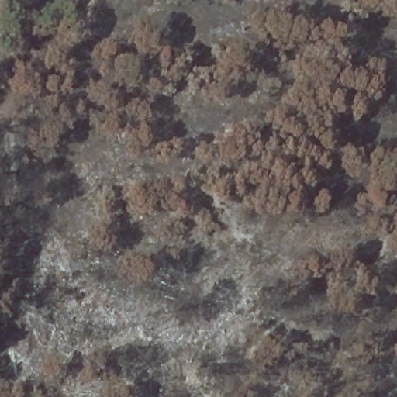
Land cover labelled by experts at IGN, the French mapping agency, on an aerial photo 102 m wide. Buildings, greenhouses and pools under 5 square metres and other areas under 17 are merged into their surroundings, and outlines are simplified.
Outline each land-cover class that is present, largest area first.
<instances>
[{"label":"coniferous trees","instance_id":"1","mask_svg":"<svg viewBox=\"0 0 397 397\"><path fill-rule=\"evenodd\" d=\"M288 14L268 16L265 20L253 22L250 33L243 34L242 37H228L223 40L220 47L214 43L211 48L194 39L195 28L188 14L172 12L171 20L164 26L163 31L157 34L154 29L138 28L126 42L119 43L115 53L110 54L95 48V45L102 42L105 37L110 36L116 25L115 11L107 5V0H0V329L12 326L19 316H25L20 312V302H29L37 309H42L43 299L48 298L56 288V274H47L45 284L33 282V274L39 265L42 248L48 242L47 231L53 225L51 216L54 214V208L56 205H64L71 198L84 195V180L76 175L74 164L67 160L68 155H74V150L68 149V144L84 143L90 127H95L96 132L101 133L105 140L116 141L121 149L126 150L127 157L135 163L152 164L155 171H158L157 177L164 178L163 183L140 188V191L133 192L126 198L121 186L112 188L115 192V202L109 206L110 223L107 228L115 231L116 242L126 248V253L115 262L121 268L133 264L146 268L147 271L152 268L160 271V268L172 267L186 273H198L202 268L200 264L205 247L195 242L191 236L195 216L202 209H206L220 231L228 230V225L217 216L216 206L212 203L211 195H208L211 189H216L220 197H230V200L237 202L243 216L251 223L296 225L309 219L313 222L335 209H346L355 205L357 219L363 223H375L380 230H388L391 234V261L385 264V267H378L375 264L380 256L381 240L361 243L355 248L352 257L321 256L315 261L307 259L293 268L292 278L278 279L271 287L262 288L259 296L253 299V306L248 307V310H259L261 324H248L243 329L245 343L234 340L231 346H226V363H217L216 354L202 355V363L197 369L200 385H186L185 374L175 375L171 371H161L160 381H143L147 375V371H144L136 377L135 383L113 372L110 378L101 380L104 385L99 391V397H397V138H385L378 133L380 124L377 123L375 113H380L386 118L391 113H397V0H316L315 5H309L306 9H299V3L293 2L285 8ZM264 71L270 78H278L281 87L271 85L270 96L268 101L262 104L259 118L254 119L242 132L228 136L226 143L219 141L208 154H203L200 157V169L197 174L186 175L183 183L185 188L181 191L175 189L169 178L174 172L175 164L180 158H194L195 147L200 146L203 141L211 143L214 135L200 133L195 138H189L186 135L185 123L175 121L174 115L180 112V107L174 104V99L181 91H185L186 96L198 105L202 112H209L216 109L222 101V96L233 98L240 95L248 98L257 90L256 82L250 81L251 73ZM31 380L23 381L17 377L16 380L0 381V397H33Z\"/></svg>","mask_w":397,"mask_h":397},{"label":"bare soil","instance_id":"2","mask_svg":"<svg viewBox=\"0 0 397 397\"><path fill-rule=\"evenodd\" d=\"M293 2L299 3V9H306L309 5H315L316 0H107V5L115 11L116 25L110 36L105 37L102 42L95 45V48L110 54L115 53L119 43L126 42L138 28L154 29L157 34L163 31L164 26L171 20L172 12L188 14L195 28L194 39L211 48L214 43L220 47L223 40L228 37H242L243 34L250 33L253 22L265 20L268 16L288 14L285 8ZM250 81L256 82L257 90L248 98L240 95L233 98L222 96V101L216 109L209 112H202L198 105L186 96L185 91H181L174 99V104L180 107V112L174 115L175 121L185 123L186 135L189 138H195L200 133L214 135L211 143L203 141L200 146L195 147L194 158H180L175 164L174 172L169 178L175 189L181 191L185 188L183 183L186 175L197 174L200 169V157L203 154H208L219 141L226 143L228 136L242 132L254 119L259 118L262 104L268 101L270 96L271 85L281 87L278 78H270L264 71L251 73ZM377 123L380 124L378 133L385 138H397V113H391L386 118L380 113H375ZM68 149L74 150V155H68L67 160L74 164L76 175L84 180V195L71 198L64 205H56L54 208V214L51 216L53 225L47 231L48 242L42 248L39 265L33 274V282L45 284L47 274H56V288L48 298L43 299L42 309H37L29 302H20V312L25 316H19L12 326L0 329V381L16 380L17 377L23 381L31 380L33 397H99V391L104 385L101 380L110 378L113 372L135 383L136 377L144 371H147V375L143 381H160L161 371H171L175 375L185 374L186 385H200L197 369L202 363V355L216 354L217 363H226V346H231L234 340L245 343L243 329L248 324H261L259 310H248V307L253 306V299L259 296L262 288L271 287L278 279L292 278L293 268L307 259L315 261L321 256L352 257L355 248L361 243L381 240L380 256L375 264L378 267H385V264L391 261V234L388 230H380L375 223H363L357 219L355 205L346 209H335L313 222L309 219L296 225L251 223L243 216L237 202L230 200V197H220L216 189H211L208 195H211L212 203L216 206L217 216L228 225V230L220 231L206 209H202L195 216L191 236L195 242L205 247L200 264L202 268L198 273H186L172 267L160 268V271L152 268L147 271L146 268L133 264L121 268L115 262L126 253V248L116 242L115 231L107 228L110 223L109 206L115 202V192L112 188L121 186L126 198L133 192L140 191V188L163 183L164 178L157 177L158 171H155L152 164L135 163L127 157L126 150L121 149L116 141L105 140L101 133L96 132L95 127H90L84 143L68 144Z\"/></svg>","mask_w":397,"mask_h":397}]
</instances>
